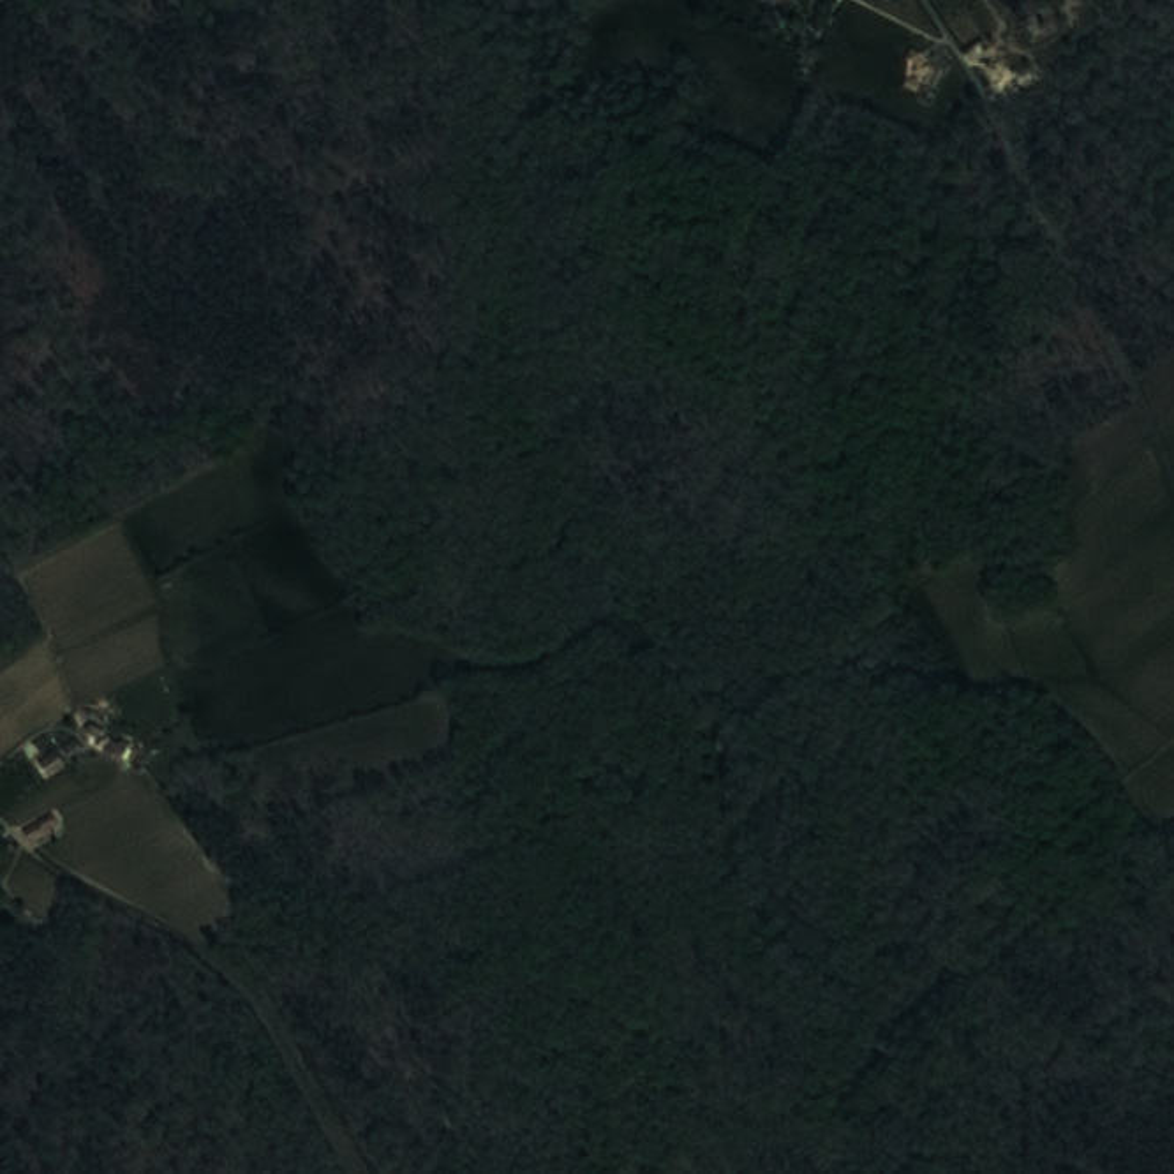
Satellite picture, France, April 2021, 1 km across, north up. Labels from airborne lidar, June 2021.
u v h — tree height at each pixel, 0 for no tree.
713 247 22
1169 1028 18
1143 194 10
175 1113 14
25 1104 7
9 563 17
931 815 18
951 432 20
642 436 22
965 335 20
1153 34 19
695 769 25
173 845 0
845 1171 19
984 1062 28
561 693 21
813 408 25
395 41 24
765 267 23
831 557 19
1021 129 16
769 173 18
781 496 21
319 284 19
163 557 0
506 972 22
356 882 27
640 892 24
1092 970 15
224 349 21
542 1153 24
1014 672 0
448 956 22
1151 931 18
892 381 22
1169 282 13
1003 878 19
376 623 20
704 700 25
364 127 17
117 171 23
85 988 22
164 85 25
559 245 15
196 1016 8
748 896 25
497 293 25
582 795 27
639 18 0
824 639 26
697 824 27
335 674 0
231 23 24
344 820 16
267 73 18
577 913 25
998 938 14
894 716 20
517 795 27
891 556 22
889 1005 18
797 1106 19
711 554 23
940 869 18
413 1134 21
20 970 21
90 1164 20
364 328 19
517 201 23
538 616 19
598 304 18
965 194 13
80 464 19
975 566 7
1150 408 0
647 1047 17
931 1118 27
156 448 23
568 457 23
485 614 17
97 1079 19
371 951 18
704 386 21
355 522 25
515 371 25
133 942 7
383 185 16
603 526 24
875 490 25
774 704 24
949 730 26
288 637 0
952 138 15
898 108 0
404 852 18
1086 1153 14
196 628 0
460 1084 20
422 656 0
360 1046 20
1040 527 22
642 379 22
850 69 0
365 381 12
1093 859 27
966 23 0
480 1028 17
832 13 6
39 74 12
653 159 23
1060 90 13
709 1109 18
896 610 17
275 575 0
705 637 25
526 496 24
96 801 0
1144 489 0
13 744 0
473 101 24
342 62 12
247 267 19
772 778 20
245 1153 19
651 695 22
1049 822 22
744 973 19
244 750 12
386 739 0
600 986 20
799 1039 24
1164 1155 23
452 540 20
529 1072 21
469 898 25
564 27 14
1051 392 15
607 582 24
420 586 19
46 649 0
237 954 17
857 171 21
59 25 17
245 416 22
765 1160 19
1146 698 0
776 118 0
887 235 19
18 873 0
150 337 22
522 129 21
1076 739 18
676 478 11
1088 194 12
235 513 0
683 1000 18
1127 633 0
